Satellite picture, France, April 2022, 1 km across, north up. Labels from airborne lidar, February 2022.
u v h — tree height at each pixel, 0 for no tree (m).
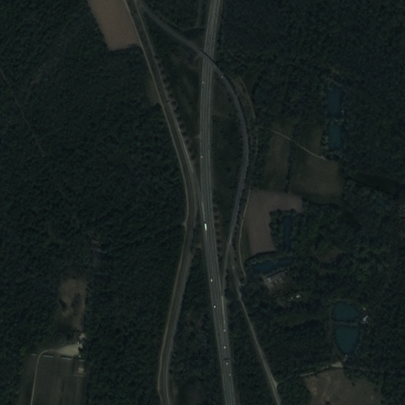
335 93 0
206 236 0
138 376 23
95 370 14
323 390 0
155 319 24
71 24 8
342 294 32
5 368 23
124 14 0
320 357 24
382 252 28
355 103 27
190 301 17
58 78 19
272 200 0
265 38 21
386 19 23
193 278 15
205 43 0
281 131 0
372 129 21
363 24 22
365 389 0
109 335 23
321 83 17
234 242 9
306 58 11
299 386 18
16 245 28
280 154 0
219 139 0
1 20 26
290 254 15
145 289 16
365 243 28
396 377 10
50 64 21
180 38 0
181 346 17
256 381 15
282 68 16
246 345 23
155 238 14
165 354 0
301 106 20
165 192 24
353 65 23
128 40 0
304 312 14
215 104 0
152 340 17
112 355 22
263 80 15
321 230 18
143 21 0
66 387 0
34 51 23
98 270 18
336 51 22
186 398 0
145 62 24
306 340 35
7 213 19
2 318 23
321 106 6
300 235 18
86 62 16
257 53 18
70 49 16
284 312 23
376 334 11
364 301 24
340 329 0
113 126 27
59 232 25
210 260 0
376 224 26
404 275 7
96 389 13
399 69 21
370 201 19
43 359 0
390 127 6
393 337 20
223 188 0
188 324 24
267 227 0
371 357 17
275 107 28
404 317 14
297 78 11
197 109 0
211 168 0
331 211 19
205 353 11
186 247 0
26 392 0
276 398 0
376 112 22
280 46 24
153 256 14
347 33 27
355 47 22
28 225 18
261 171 21
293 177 15
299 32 24
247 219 0
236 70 7
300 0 27
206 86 0
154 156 22
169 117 0
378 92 36
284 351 15
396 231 25
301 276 12
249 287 26
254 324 18
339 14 25
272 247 0
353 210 16
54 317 22
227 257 0
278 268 6
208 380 17
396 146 21
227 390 0
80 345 0
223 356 0
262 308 12
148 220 22
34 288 23
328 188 0
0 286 30
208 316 13
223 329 0
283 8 25
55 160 21
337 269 20
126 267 21
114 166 18
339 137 0
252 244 0
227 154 0
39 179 26
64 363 0
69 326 0
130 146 23
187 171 0
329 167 0
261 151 18
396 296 20
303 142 0
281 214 20
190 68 0
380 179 0
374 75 28
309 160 0
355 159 25
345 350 0
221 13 0
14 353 23
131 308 22
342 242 30
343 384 0
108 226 21
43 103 21
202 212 0
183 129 17
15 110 19
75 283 0
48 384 0
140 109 20
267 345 19
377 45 24
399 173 23
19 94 20
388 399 22
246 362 14
